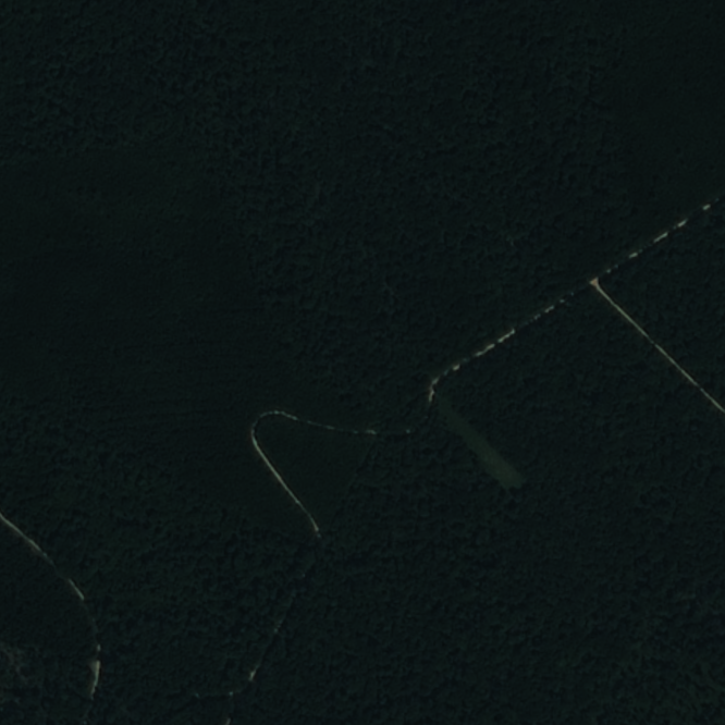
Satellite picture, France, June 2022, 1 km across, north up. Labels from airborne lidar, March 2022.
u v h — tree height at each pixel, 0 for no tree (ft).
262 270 65
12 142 37
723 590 81
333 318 68
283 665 73
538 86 80
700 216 56
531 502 67
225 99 61
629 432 77
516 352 68
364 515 55
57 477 54
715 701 0
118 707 82
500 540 77
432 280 74
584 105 84
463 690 81
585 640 73
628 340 69
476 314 66
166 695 78
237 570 84
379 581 74
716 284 78
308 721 81
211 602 77
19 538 0
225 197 70
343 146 71
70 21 56
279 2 64
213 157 51
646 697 82
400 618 68
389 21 63
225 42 66
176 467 41
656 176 60
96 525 63
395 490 66
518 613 65
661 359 72
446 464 62
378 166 70
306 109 65
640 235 52
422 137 70
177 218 32
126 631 56
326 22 64
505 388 68
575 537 66
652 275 69
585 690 83
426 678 75
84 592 55
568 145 84
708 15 65
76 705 84
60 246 40
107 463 74
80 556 73
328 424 22
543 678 67
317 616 71
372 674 71
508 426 66
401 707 82
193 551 65
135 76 62
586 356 71
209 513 77
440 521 76
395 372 73
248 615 61
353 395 66
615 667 78
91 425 45
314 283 53
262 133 74
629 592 69
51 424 71
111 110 77
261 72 60
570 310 64
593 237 61
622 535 73
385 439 42
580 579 55
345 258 74
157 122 47
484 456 0
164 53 55
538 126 75
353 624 75
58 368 46
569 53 71
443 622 71
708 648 82
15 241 39
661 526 84
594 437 75
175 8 62
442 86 74
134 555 53
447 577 62
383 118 63
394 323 54
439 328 73
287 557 71
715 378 71
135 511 66
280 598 68
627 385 87
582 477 54
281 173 72
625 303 63
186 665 72
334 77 64
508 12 72
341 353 71
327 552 72
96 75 65
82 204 66
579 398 74
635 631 80
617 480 70
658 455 66
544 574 69
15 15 57
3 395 41
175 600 55
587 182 89
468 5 80
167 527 59
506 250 54
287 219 59
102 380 46
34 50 52
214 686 73
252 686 63
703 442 78
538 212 77
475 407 68
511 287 64
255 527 25
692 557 74
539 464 64
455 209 68
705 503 63
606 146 67
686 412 83
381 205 57
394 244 71
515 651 84
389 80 70
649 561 94
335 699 79
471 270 72
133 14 56
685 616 74
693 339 81
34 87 65
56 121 67
